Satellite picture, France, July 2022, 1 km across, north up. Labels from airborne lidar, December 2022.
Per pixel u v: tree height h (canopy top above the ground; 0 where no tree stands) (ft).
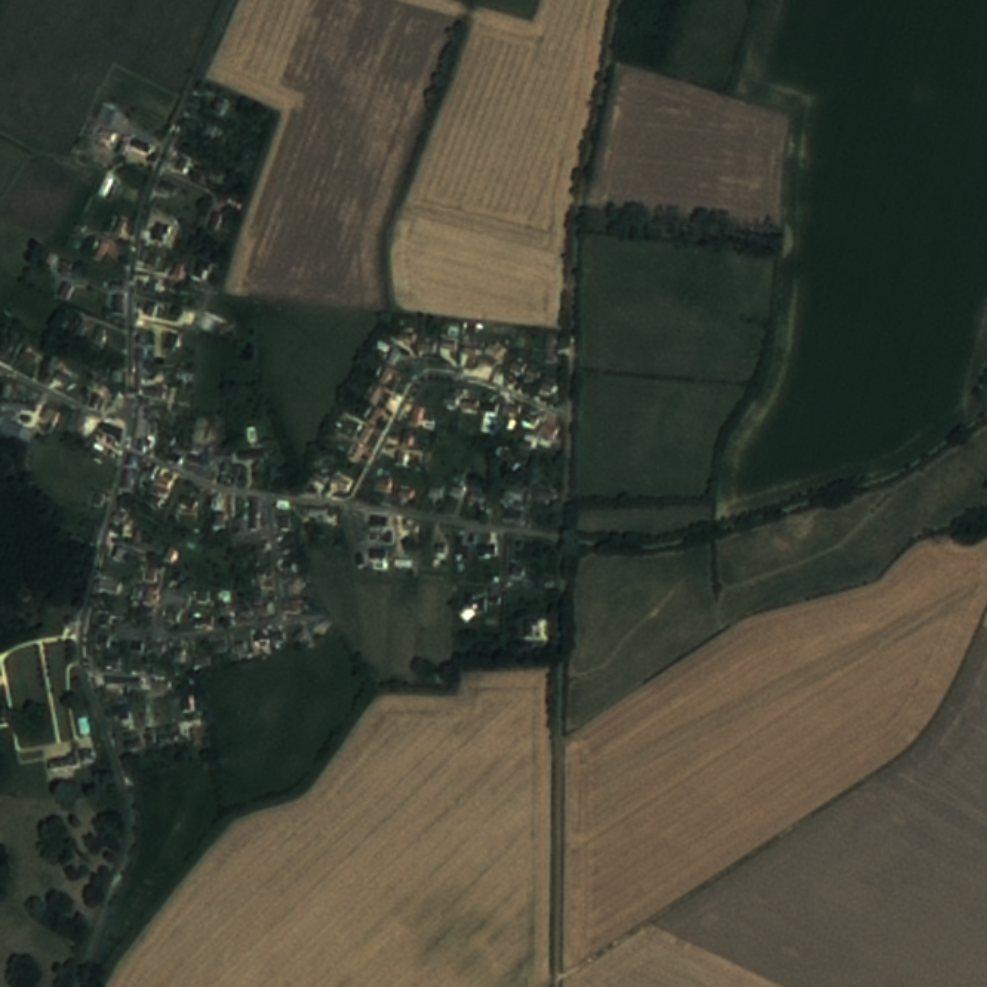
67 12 0
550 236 0
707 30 0
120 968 0
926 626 0
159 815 0
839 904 0
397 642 0
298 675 0
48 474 0
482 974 0
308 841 0
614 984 0
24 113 0
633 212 65
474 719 0
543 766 0
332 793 0
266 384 38
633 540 46
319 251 0
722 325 0
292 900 0
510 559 0
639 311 0
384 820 0
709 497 27
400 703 0
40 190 0
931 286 0
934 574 0
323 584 0
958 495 0
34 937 0
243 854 0
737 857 0
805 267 0
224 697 0
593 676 0
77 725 0
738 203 0
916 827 0
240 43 0
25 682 0
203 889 0
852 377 0
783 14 0
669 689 0
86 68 0
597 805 0
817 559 0
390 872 0
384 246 0
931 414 0
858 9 0
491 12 0
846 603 0
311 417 0
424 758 0
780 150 0
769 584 0
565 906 0
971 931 0
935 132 0
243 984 0
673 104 0
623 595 0
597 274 0
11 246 0
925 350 0
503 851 0
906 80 0
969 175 0
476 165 0
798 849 0
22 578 60
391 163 0
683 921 0
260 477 45
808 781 0
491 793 0
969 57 0
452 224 0
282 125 0
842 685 0
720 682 0
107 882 55
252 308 0
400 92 0
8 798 0
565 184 0
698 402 0
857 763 0
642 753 0
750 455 0
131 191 0
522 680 0
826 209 0
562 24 0
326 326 0
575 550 75
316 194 0
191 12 0
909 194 0
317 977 0
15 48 0
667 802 0
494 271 0
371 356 23
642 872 0
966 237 0
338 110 0
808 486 0
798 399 0
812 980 0
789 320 0
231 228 21
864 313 0
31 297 0
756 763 0
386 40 0
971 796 0
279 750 0
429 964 0
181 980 0
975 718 0
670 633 0
